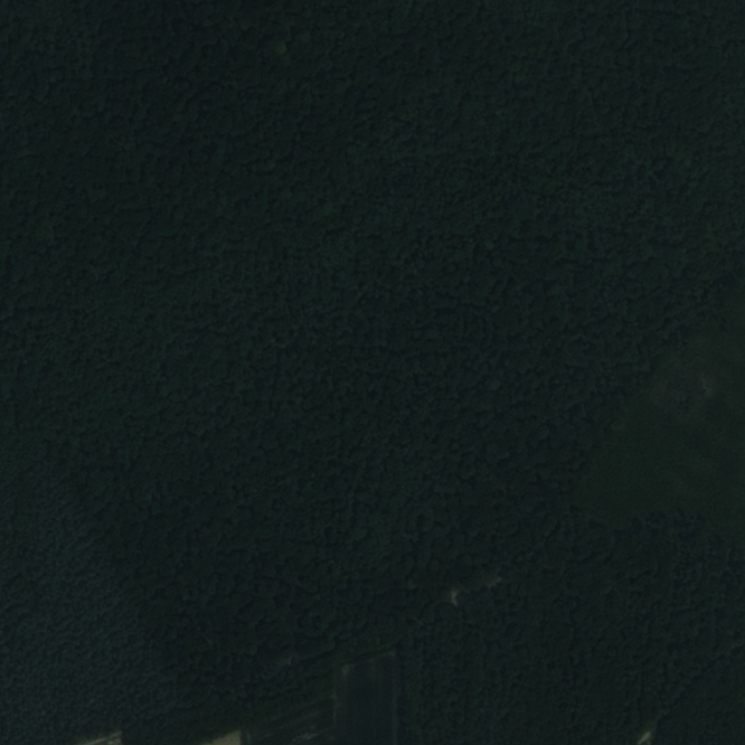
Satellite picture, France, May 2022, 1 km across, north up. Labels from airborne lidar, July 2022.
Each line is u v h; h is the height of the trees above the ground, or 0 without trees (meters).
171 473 30
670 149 29
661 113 22
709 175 27
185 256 23
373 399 23
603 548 19
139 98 9
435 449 22
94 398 27
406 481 21
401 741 17
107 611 26
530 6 22
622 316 19
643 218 10
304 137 33
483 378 13
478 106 22
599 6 25
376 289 22
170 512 32
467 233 20
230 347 29
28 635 26
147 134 30
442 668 24
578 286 27
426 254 15
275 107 20
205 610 30
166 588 30
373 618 27
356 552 28
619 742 26
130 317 16
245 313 16
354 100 27
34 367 26
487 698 23
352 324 20
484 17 22
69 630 24
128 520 27
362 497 23
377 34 22
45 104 26
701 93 26
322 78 22
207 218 19
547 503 26
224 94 24
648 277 26
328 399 28
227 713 27
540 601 26
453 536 31
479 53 27
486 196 23
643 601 26
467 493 28
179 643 29
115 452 25
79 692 28
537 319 28
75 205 29
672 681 22
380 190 20
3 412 26
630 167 26
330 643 25
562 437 30
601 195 9
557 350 25
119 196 28
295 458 22
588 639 27
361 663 0
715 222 23
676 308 26
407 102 17
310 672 27
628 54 25
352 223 23
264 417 22
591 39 27
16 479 23
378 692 0
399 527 22
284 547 30
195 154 32
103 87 13
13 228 22
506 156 21
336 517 21
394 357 25
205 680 19
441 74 19
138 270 21
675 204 26
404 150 26
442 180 30
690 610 18
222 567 27
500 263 27
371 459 21
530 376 28
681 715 21
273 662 30
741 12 27
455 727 24
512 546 24
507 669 27
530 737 27
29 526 23
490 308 26
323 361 21
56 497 24
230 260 22
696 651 26
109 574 24
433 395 23
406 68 17
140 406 24
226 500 28
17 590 20
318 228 19
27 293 23
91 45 23
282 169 27
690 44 26
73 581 23
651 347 29
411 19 16
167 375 27
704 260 25
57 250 23
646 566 25
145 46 30
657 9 16
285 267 21
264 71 19
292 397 25
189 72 24
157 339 27
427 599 18
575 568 16
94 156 31
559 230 22
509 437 31
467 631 16
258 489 27
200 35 31
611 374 20
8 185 17
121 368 22
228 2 32
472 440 30
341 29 22
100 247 26
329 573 25
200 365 27
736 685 27
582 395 31
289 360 26
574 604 19
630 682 17
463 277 24
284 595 29
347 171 24
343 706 0
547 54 18
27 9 27
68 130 31
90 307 25
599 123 18
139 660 21
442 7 25
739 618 23
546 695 26
